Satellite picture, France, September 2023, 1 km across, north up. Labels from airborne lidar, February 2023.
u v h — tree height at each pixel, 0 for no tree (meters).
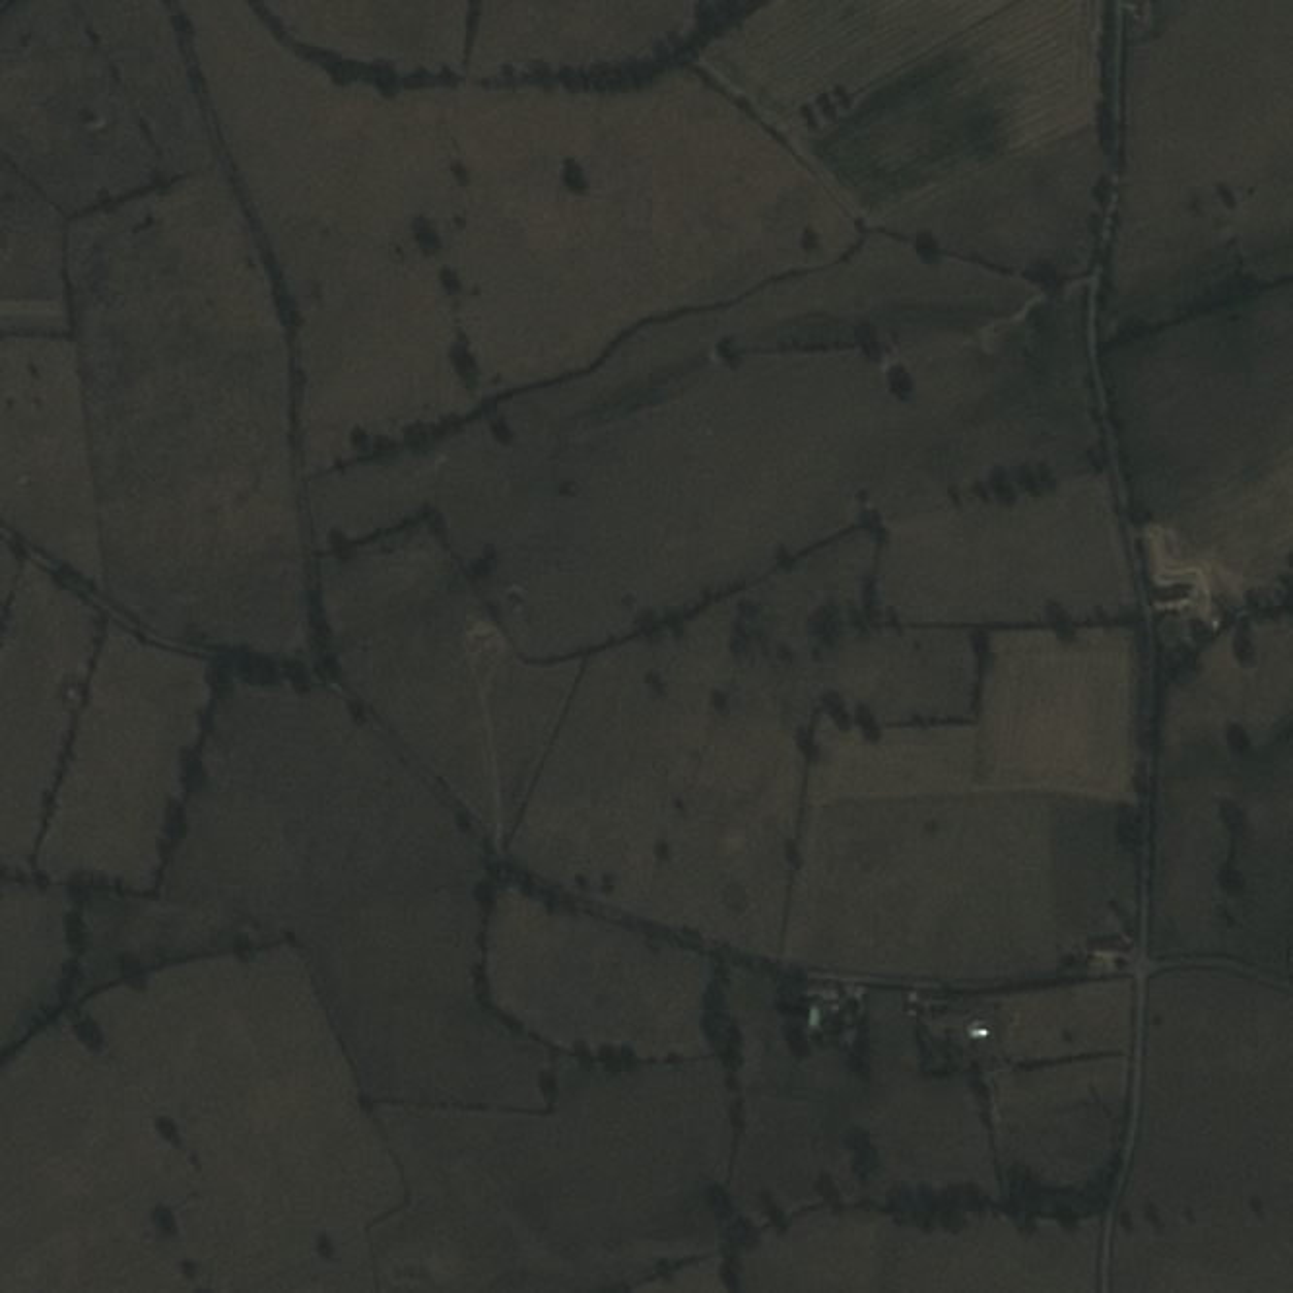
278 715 0
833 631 19
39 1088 0
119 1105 0
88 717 0
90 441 0
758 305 0
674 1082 0
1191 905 0
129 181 0
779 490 0
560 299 0
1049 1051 0
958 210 0
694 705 0
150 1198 0
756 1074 0
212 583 0
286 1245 0
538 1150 0
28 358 0
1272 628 0
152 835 0
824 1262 0
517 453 0
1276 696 0
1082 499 0
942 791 0
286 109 0
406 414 0
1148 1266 0
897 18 0
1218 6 0
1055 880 0
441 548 8
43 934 0
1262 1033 0
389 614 0
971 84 0
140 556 0
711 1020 15
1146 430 0
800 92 0
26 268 0
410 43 0
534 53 0
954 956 0
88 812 0
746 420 0
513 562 0
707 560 0
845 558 0
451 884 0
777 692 0
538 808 0
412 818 0
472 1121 0
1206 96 0
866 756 0
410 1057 0
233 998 0
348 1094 0
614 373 0
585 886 8
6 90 0
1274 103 0
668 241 0
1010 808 0
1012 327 0
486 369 0
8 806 0
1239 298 13
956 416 0
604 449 0
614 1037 0
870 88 0
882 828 0
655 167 0
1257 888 0
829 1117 0
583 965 0
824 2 0
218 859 0
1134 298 0
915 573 0
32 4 0
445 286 12
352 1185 0
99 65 0
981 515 0
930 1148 0
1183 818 0
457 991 0
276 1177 0
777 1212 17
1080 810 0
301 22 0
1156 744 14
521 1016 0
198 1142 0
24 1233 0
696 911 0
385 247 0
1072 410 0
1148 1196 0
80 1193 0
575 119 0
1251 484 0
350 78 6
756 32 0
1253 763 0
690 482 0
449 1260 0
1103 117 13
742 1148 0
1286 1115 0
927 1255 0
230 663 14
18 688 0
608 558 0
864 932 0
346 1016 0
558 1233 0
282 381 0
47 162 0
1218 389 0
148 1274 0
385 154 0
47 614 0
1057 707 0
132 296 0
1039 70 0
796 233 0
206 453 0
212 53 0
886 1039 0
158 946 0
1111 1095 0
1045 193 0
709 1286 0
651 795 0
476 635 0
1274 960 0
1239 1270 0
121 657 0
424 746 0
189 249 0
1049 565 0
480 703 0
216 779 0
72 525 0
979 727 0
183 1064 0
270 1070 0
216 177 0
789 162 0
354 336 0
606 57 0
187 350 0
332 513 0
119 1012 0
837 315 0
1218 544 0
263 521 0
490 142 0
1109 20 11
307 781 0
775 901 0
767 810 0
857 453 0
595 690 0
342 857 0
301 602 0
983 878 0
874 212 0
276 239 0
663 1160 0
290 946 11
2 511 0
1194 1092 0
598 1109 0
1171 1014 0
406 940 0
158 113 0
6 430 0
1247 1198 0
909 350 0
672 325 0
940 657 0
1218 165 0
